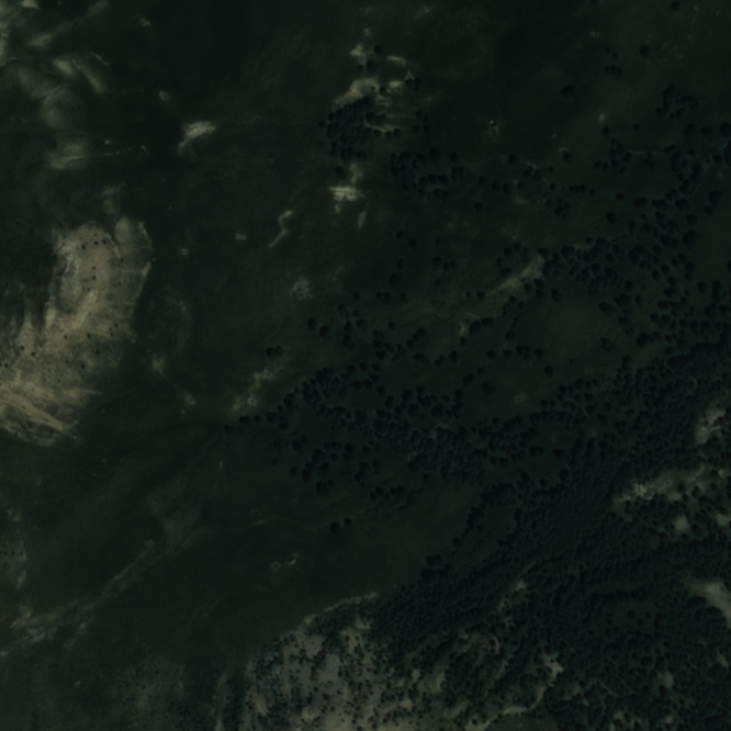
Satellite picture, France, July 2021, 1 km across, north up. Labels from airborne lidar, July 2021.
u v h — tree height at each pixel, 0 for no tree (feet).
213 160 0
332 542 0
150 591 0
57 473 0
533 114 0
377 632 19
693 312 27
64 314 0
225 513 0
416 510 0
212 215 0
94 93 0
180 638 0
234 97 0
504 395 0
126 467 0
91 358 0
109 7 0
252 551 0
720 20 0
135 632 0
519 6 0
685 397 72
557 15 0
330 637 23
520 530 54
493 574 61
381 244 0
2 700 0
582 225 0
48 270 0
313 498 0
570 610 76
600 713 44
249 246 0
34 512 0
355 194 0
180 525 0
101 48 0
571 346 0
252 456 0
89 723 0
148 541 0
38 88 0
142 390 0
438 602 48
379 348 58
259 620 0
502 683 43
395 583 0
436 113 0
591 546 73
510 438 47
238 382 0
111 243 0
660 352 0
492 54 0
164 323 0
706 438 0
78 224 0
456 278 0
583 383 43
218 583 0
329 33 0
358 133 62
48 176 0
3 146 0
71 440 0
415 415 55
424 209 0
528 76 0
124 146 0
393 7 0
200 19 0
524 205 0
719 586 0
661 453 28
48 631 0
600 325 0
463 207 0
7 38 0
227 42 0
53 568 0
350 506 0
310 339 0
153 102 0
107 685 0
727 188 0
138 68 0
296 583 0
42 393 0
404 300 30
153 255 0
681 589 51
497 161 0
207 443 0
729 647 60
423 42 0
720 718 55
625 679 55
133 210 0
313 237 0
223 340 0
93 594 0
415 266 0
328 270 0
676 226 64
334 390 70
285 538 0
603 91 0
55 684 0
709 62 0
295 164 0
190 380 0
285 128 0
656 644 63
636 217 0
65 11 0
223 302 0
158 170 0
